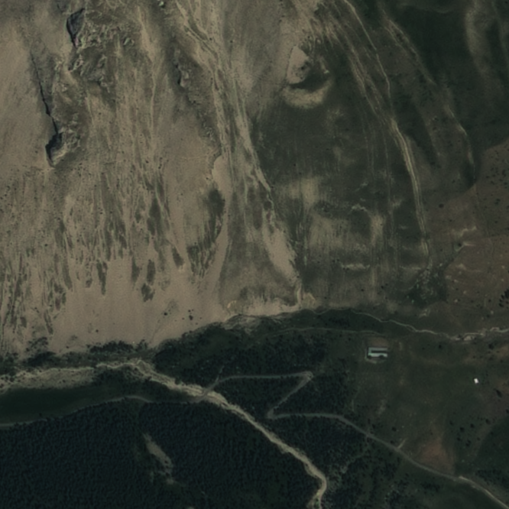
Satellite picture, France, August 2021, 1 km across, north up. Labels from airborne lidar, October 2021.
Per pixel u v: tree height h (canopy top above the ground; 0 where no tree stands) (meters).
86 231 0
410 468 0
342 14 0
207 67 0
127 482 12
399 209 0
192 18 0
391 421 0
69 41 0
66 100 0
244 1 0
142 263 0
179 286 0
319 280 0
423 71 0
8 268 0
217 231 0
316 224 0
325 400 6
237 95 0
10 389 0
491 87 0
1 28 0
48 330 0
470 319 0
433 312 0
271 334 0
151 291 0
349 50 0
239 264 0
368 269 0
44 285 0
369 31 0
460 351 0
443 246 0
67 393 0
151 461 6
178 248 0
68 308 0
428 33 0
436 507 0
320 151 0
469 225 0
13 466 11
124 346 6
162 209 0
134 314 0
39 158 0
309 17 0
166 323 0
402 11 0
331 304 0
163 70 0
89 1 0
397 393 0
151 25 0
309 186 0
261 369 7
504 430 0
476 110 0
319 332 0
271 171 0
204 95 0
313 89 0
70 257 0
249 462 11
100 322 0
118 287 0
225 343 0
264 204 0
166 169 0
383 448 0
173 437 10
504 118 0
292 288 0
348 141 0
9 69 0
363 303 0
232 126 0
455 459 0
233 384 6
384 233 0
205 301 0
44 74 0
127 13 0
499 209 0
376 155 0
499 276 0
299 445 8
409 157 0
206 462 10
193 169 0
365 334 0
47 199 0
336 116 0
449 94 0
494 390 0
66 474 11
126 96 0
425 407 0
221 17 0
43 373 0
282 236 0
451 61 0
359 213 0
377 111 0
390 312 0
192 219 0
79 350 0
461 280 0
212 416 7
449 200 0
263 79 0
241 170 0
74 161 0
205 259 0
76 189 0
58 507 10
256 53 0
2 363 0
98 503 15
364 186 0
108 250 0
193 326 0
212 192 0
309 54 0
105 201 0
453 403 0
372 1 0
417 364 0
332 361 0
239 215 0
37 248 0
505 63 0
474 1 0
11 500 12
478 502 0
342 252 0
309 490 8
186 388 0
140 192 0
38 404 0
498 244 0
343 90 0
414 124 0
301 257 0
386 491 0
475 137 0
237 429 11
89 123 0
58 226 0
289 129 0
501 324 0
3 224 0
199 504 8
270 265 0
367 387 0
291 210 0
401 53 0
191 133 0
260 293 0
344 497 8
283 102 0
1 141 0
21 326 0
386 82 0
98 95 0
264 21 0
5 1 0
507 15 0
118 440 10
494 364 0
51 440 10
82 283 0
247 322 0
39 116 0
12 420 0
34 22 0
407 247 0
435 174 0
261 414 7
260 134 0
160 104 0
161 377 0
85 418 10
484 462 0
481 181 0
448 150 0
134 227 0
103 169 0
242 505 6
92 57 0
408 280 0
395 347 0
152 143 0
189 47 0
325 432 7
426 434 0
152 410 12
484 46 0
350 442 6
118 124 0
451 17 0
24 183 0
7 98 0
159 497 9
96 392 0
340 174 0
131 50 0
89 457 11
